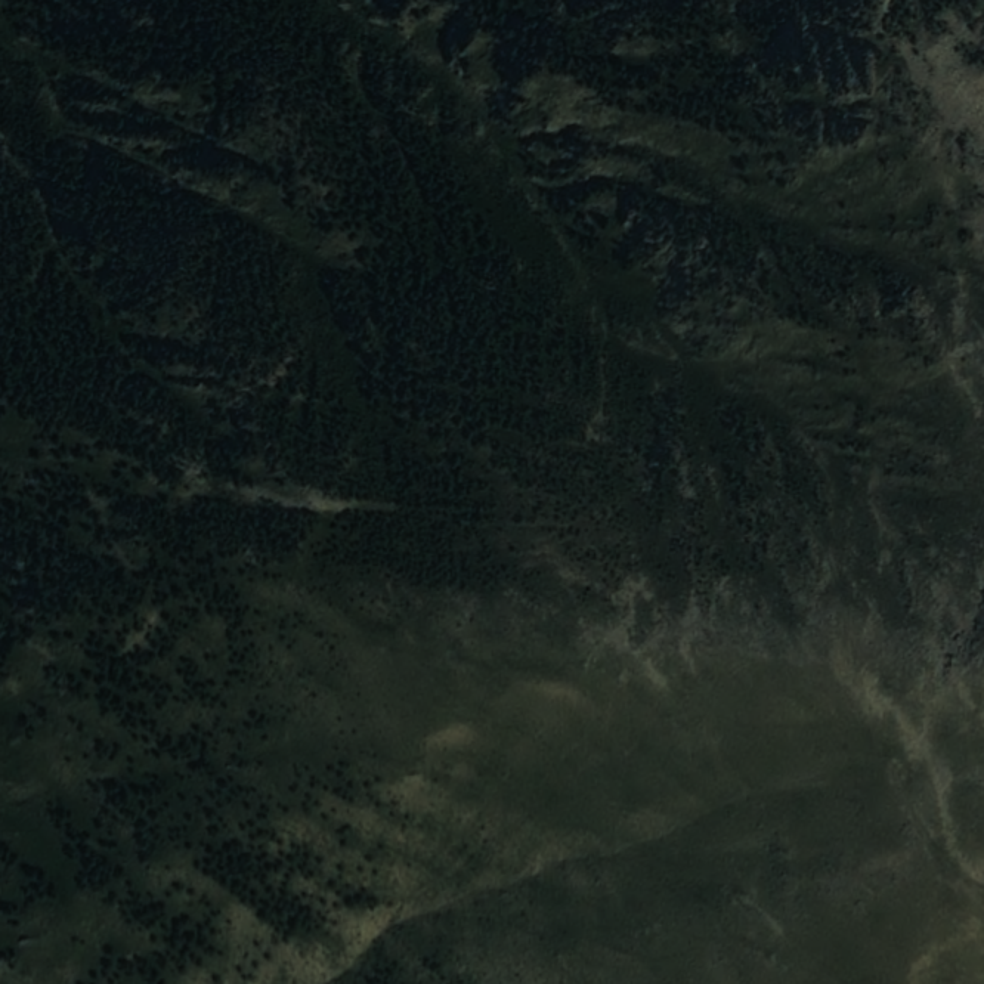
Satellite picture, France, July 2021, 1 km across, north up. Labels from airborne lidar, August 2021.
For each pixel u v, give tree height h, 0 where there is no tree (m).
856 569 0
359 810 0
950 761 0
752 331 0
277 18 15
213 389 13
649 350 0
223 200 0
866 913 0
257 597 0
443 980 8
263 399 10
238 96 12
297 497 0
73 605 14
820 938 0
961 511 0
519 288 7
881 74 0
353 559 8
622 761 0
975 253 0
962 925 0
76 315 7
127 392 9
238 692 0
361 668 0
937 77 0
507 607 0
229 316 8
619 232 0
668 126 0
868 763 0
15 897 0
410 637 0
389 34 0
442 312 15
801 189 0
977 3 17
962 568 0
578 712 0
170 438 13
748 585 0
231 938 0
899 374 0
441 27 0
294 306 6
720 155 0
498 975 0
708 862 0
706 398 0
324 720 0
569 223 0
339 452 10
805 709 0
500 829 0
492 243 19
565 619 0
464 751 0
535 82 0
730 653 0
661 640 0
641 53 0
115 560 10
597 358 10
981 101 0
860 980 0
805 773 0
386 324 25
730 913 0
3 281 10
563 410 9
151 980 12
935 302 0
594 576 0
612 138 0
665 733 0
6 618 16
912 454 0
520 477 10
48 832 0
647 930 0
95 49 27
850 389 0
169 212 22
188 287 11
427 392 13
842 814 0
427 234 8
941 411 0
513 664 0
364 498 7
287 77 23
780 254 12
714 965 0
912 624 0
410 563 7
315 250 0
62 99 9
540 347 14
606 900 0
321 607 0
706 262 7
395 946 0
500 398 6
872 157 0
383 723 0
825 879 0
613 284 0
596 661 0
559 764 0
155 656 12
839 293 7
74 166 15
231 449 10
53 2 8
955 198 0
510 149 0
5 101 8
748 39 0
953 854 0
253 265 12
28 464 0
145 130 7
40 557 19
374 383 17
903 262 0
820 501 7
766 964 0
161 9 21
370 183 17
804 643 0
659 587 0
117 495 8
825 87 0
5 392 16
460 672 0
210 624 0
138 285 7
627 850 0
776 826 0
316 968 0
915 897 0
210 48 20
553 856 0
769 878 0
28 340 21
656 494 6
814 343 0
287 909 11
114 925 0
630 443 8
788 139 0
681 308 0
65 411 9
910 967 0
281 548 10
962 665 0
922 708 0
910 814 0
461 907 0
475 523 6
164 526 8
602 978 0
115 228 7
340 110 15
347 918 0
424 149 10
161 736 11
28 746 0
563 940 0
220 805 8
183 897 0
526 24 10
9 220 8
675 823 0
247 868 18
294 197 15
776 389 0
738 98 13
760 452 8
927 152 0
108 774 0
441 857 0
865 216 0
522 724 0
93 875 16
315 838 0
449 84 0
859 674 0
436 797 0
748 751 0
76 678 12
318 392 8
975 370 0
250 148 0
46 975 0
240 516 8
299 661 0
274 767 0
